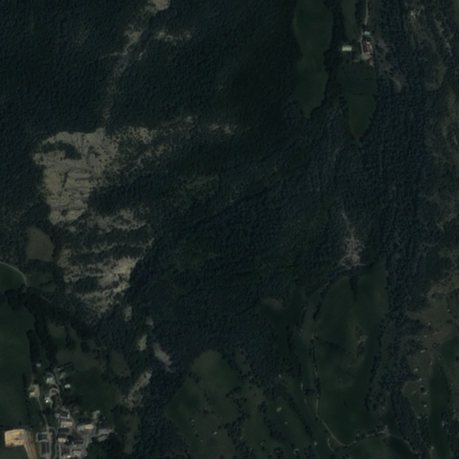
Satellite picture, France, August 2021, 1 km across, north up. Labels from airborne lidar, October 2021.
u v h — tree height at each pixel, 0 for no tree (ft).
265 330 25
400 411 35
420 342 24
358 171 21
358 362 0
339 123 44
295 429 0
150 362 43
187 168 65
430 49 31
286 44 71
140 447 25
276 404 0
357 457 0
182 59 83
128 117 52
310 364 0
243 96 51
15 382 0
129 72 22
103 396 0
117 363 0
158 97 51
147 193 57
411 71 51
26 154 43
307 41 0
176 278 23
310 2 0
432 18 21
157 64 62
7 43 66
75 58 47
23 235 47
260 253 37
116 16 63
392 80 39
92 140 0
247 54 39
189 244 21
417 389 0
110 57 25
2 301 64
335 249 36
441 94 41
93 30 32
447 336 0
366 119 0
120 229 22
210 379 0
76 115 47
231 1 55
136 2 58
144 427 47
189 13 57
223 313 39
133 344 54
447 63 32
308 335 0
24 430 0
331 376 0
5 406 0
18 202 50
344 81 0
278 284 42
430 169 46
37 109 61
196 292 37
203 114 26
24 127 55
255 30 39
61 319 49
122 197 64
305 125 57
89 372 0
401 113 42
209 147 53
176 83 63
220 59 58
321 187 34
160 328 49
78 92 72
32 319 0
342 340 0
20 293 35
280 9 45
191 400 0
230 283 50
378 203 42
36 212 67
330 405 0
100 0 57
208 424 0
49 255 0
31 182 42
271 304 0
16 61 62
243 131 26
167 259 28
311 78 0
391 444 0
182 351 41
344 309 0
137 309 33
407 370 44
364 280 0
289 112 70
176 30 23
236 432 37
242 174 52
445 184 30
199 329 59
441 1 34
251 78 68
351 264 23
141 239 45
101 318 26
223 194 39
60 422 0
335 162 30
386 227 35
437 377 0
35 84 75
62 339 0
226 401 0
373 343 0
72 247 34
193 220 60
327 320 0
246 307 21
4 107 75
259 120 58
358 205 47
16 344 0
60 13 53
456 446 34
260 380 26
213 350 28
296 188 37
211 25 42
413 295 39
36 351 68
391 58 39
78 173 0
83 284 58
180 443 48
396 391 30
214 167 65
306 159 38
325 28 0
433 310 0
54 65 48
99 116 26
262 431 0
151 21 42
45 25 54
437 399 0
